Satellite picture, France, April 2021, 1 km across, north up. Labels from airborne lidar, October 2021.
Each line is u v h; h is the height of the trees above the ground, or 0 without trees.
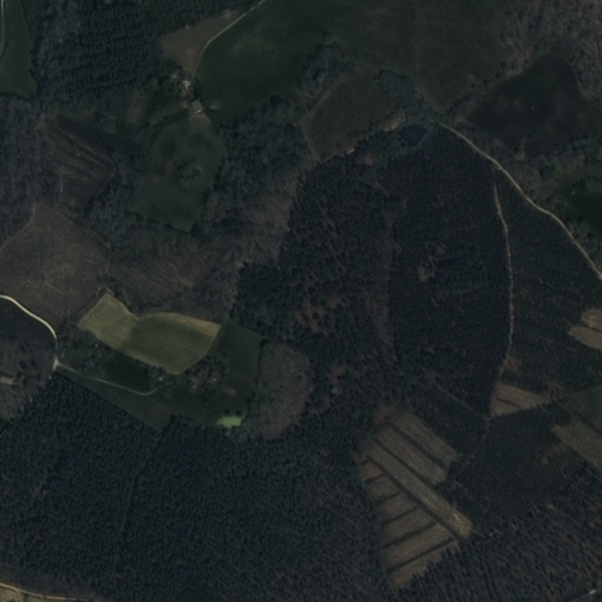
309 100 15
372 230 22
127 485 16
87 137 6
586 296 10
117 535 19
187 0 14
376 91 0
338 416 22
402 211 18
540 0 16
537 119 0
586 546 21
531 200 15
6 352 21
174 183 0
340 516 16
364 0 0
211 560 18
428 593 20
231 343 0
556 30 17
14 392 16
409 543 0
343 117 0
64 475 18
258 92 0
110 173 0
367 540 13
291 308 21
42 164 11
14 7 0
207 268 16
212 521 17
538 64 0
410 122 11
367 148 19
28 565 19
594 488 19
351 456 13
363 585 19
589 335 0
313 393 7
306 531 12
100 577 19
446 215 11
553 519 20
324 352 22
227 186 9
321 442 17
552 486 10
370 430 20
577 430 0
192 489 19
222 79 0
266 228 13
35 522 15
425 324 13
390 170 11
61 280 0
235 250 18
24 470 17
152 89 13
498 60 0
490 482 8
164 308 13
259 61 0
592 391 0
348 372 8
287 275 20
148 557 17
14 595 0
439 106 0
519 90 0
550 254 12
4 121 15
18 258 0
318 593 15
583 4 19
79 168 0
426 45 0
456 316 10
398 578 0
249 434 12
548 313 10
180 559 19
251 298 19
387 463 0
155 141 0
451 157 10
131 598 16
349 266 21
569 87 0
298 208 21
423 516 0
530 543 17
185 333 0
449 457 0
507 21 11
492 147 15
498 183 9
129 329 0
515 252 8
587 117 0
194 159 0
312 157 16
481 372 10
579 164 16
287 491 16
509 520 10
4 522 18
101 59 17
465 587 20
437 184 9
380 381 17
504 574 21
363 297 21
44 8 7
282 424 8
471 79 0
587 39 15
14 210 17
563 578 22
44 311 0
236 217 9
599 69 19
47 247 0
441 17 0
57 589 15
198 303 16
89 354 11
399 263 12
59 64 18
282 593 14
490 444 10
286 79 0
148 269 0
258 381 14
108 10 17
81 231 0
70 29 21
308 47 0
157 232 18
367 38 0
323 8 0
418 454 0
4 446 13
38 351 15
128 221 17
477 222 9
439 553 0
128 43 16
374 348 19
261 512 14
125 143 6
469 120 0
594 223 0
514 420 6
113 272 0
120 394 0
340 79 14
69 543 17
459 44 0
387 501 13
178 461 16
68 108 25
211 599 16
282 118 19
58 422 16
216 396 7
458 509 13
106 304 0
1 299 7
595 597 7
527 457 7
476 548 18
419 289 11
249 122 9
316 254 20
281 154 21
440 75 0
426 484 10
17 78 0
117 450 17
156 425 0
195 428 14
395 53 0
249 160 12
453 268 21
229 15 14
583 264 12
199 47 0
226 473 17
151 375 13
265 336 16
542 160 13
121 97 18
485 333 10
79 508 18
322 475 14
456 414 11
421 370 23
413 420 0
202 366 9
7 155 17
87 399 17
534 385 8
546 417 7
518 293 9
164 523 20
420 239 10
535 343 8
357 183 19
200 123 0
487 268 10
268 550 19
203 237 26
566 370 7
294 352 19
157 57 11
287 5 0
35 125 16
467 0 0
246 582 20
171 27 12
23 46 0
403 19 0
